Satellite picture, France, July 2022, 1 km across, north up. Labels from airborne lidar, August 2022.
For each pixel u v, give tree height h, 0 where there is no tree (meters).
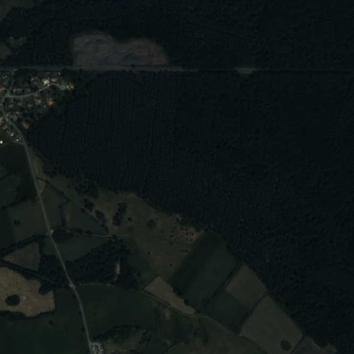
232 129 26
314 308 20
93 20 22
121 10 24
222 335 0
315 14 12
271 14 24
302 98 18
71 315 0
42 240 13
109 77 23
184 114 25
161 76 23
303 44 16
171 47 14
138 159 22
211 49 25
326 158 20
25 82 6
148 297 0
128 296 0
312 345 0
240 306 0
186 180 23
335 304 20
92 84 24
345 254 19
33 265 0
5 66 14
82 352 0
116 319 0
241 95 15
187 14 20
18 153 0
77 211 0
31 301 0
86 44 0
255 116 26
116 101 21
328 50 21
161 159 21
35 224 0
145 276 0
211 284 0
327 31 25
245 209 20
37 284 0
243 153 23
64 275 12
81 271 7
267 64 21
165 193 24
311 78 26
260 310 0
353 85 23
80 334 0
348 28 22
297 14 24
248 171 22
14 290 0
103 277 13
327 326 20
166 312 0
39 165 0
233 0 11
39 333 0
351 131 22
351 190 18
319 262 21
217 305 0
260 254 24
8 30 25
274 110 19
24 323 0
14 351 0
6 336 0
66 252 0
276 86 21
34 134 20
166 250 0
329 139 23
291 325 0
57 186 0
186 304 13
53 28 20
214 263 0
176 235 0
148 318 0
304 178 21
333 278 23
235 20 22
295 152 21
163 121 22
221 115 24
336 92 23
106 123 22
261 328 0
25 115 14
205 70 19
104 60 0
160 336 0
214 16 17
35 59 22
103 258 12
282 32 16
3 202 0
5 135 0
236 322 0
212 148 19
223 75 23
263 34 8
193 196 22
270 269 26
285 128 23
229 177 22
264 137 24
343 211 19
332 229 21
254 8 23
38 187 0
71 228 0
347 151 21
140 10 25
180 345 0
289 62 14
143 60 0
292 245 26
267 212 26
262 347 0
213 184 17
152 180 20
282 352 0
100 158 22
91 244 0
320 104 26
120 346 0
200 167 19
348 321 21
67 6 24
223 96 24
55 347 0
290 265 7
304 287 24
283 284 8
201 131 21
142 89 23
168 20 19
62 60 20
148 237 0
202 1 26
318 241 25
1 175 0
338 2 21
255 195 20
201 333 0
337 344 8
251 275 0
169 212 11
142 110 21
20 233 0
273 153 22
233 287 0
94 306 0
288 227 19
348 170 20
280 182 23
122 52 0
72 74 19
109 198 0
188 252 6
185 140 20
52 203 0
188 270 0
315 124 23
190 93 26
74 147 23
